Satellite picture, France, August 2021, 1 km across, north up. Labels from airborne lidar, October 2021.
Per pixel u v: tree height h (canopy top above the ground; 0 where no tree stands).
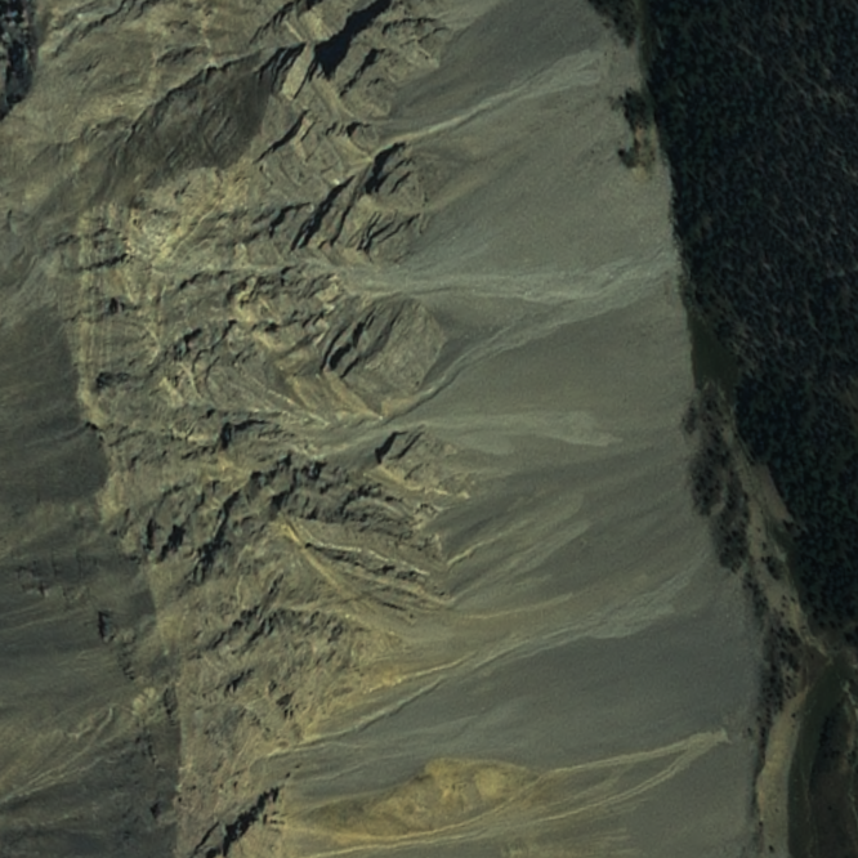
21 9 0
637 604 0
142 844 0
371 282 0
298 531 0
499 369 0
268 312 0
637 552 0
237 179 0
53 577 0
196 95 0
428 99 0
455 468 0
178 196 0
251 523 0
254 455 0
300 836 0
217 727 0
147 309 0
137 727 0
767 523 0
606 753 0
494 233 0
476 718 0
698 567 0
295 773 0
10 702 0
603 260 0
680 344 0
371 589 0
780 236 16
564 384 0
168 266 0
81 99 0
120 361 0
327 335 0
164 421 0
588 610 0
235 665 0
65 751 0
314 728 0
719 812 0
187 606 0
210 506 0
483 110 0
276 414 0
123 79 0
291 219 0
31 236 0
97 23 0
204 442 0
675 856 0
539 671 0
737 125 17
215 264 0
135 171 0
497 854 0
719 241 10
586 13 0
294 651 0
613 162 0
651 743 0
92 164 0
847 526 11
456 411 0
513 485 0
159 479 0
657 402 0
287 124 0
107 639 0
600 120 0
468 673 0
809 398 6
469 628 0
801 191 10
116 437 0
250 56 0
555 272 0
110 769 0
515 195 0
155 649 0
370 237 0
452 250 0
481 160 0
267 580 0
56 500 0
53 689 0
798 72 8
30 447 0
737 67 19
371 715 0
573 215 0
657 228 0
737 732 0
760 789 0
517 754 0
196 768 0
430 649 0
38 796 0
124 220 0
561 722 0
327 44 0
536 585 0
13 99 0
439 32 0
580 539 0
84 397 0
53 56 0
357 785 0
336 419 0
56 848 0
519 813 0
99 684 0
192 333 0
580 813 0
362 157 0
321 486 0
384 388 0
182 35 0
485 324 0
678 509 0
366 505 0
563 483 0
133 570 0
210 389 0
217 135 0
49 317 0
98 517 0
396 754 0
